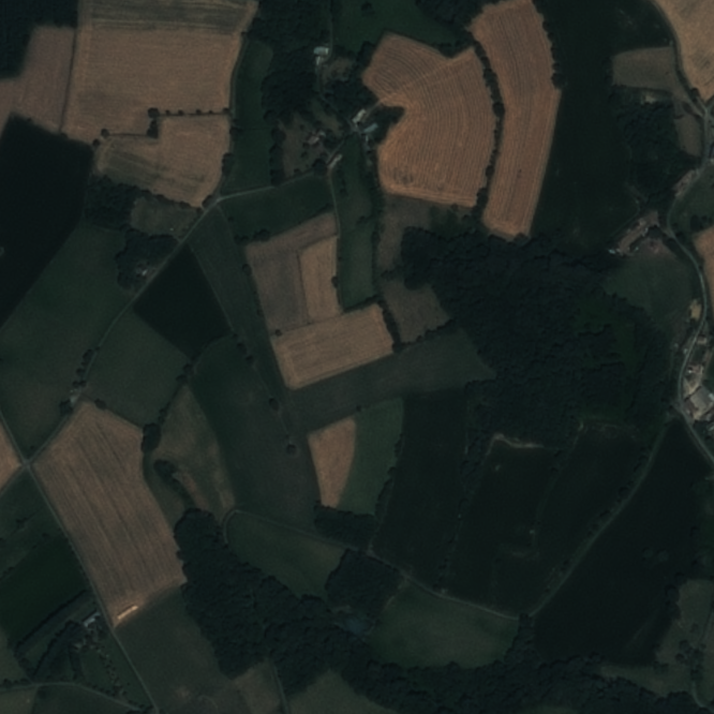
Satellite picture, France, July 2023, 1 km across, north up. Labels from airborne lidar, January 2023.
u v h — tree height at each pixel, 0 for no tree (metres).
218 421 0
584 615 0
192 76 0
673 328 0
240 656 16
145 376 0
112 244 0
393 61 0
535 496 0
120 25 0
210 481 0
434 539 0
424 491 0
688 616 0
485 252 29
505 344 15
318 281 0
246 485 0
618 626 0
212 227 0
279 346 0
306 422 0
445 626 0
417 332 0
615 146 0
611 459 0
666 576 0
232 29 0
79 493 0
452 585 0
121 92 0
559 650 0
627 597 0
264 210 0
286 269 0
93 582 0
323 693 0
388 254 0
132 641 0
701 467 0
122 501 0
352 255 0
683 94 0
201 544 22
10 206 0
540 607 0
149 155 0
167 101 0
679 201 0
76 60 0
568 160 0
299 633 25
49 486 0
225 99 0
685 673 0
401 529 0
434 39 0
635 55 0
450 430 0
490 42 0
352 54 7
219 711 0
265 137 0
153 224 0
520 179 0
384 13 0
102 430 0
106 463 0
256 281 0
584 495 0
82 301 0
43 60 0
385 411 0
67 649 8
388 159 0
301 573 0
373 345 0
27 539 0
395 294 0
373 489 0
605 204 0
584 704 25
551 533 0
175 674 0
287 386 0
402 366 0
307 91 26
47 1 13
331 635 26
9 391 0
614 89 8
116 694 8
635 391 7
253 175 0
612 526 0
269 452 0
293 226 0
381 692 22
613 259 9
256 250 0
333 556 0
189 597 15
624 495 16
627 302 13
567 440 17
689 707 20
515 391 17
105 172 0
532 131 0
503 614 0
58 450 0
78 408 0
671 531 0
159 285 0
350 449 0
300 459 0
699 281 0
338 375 0
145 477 0
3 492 0
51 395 0
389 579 22
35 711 0
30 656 0
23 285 0
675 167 6
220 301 0
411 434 0
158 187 0
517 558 0
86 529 0
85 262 0
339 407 0
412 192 0
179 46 0
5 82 0
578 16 0
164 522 0
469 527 0
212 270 0
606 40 0
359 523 19
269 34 9
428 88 0
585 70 0
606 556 0
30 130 0
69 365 0
